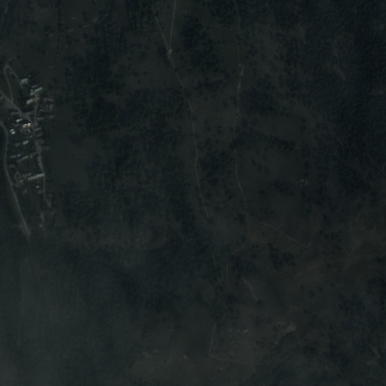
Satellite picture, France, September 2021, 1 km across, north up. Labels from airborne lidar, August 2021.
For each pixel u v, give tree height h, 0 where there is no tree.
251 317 0
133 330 25
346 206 0
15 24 12
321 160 16
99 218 15
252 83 0
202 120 0
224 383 0
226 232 0
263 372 10
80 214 19
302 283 0
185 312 8
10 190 0
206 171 27
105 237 8
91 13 0
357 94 11
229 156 0
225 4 18
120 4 0
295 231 0
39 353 11
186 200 24
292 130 0
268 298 0
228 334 0
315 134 11
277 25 8
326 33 19
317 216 0
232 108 0
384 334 0
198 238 23
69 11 0
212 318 8
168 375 0
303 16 15
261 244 0
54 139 0
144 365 0
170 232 11
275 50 0
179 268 12
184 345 0
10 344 18
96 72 11
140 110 17
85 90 8
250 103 22
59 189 0
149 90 0
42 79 0
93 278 16
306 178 9
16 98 0
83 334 8
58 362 15
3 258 22
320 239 0
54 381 17
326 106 14
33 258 20
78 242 0
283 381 8
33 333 14
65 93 10
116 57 20
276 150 0
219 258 13
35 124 0
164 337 0
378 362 0
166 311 0
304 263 0
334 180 0
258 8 11
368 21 12
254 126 12
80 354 7
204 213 8
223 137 0
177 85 0
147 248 15
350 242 0
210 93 18
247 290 0
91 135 15
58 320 12
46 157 0
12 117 0
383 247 0
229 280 0
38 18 0
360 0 23
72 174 0
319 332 0
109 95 11
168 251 23
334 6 12
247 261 0
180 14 0
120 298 29
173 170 18
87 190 0
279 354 14
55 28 0
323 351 0
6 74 0
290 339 12
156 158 21
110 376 14
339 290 0
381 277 0
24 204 16
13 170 10
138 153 11
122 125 23
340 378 6
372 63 7
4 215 24
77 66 21
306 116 0
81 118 10
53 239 16
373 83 12
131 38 0
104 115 18
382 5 18
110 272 18
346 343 8
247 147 20
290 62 14
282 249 0
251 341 0
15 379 9
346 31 12
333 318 0
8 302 21
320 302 0
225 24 14
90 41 9
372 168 10
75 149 0
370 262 0
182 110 8
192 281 0
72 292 15
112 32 10
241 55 0
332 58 13
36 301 16
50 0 0
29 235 0
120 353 17
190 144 0
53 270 14
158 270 17
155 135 17
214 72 12
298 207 0
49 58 0
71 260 17
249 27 14
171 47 0
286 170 0
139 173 11
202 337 0
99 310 17
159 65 0
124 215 15
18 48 7
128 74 9
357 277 0
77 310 7
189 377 0
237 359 0
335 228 0
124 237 0
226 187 6
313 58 7
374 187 0
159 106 10
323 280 0
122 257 13
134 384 13
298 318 0
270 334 0
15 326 20
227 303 9
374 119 9
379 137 9
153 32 9
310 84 8
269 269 0
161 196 18
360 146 7
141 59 9
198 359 0
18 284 14
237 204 0
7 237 26
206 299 0
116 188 10
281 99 15
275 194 0
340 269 0
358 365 0
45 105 0
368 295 12
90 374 11
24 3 0
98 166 11
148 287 15
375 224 0
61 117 0
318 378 7
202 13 0
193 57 0
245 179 0
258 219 0
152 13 11
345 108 12
